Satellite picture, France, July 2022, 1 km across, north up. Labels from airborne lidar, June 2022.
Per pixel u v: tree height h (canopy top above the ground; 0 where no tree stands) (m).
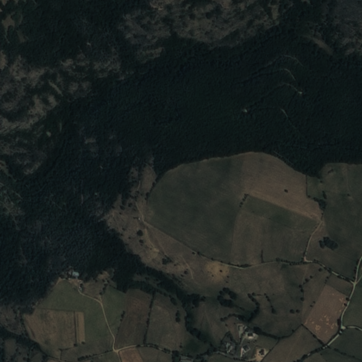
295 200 0
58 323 0
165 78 18
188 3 7
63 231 14
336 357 0
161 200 0
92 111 9
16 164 8
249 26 7
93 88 10
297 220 0
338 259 0
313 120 25
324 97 21
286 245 0
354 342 0
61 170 14
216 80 19
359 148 20
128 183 8
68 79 7
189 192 0
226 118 16
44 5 18
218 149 17
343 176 0
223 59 16
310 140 18
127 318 0
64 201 15
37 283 7
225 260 0
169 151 15
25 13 12
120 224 0
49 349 0
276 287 0
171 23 8
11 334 8
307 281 9
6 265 9
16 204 7
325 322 0
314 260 8
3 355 7
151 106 9
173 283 13
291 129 17
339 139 17
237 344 8
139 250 0
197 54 14
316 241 0
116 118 14
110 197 12
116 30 20
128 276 10
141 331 0
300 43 18
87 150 6
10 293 11
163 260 10
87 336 0
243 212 0
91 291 0
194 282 0
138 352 0
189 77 19
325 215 0
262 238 0
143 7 8
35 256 12
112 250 20
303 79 15
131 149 14
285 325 0
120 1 17
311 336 0
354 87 22
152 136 18
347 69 21
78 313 0
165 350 11
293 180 0
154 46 7
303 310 0
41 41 15
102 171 9
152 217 0
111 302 0
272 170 0
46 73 7
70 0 28
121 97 15
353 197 0
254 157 0
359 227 0
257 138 14
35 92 12
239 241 0
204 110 18
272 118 13
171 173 0
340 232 0
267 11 13
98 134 10
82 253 20
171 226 0
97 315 0
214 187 0
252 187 0
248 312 0
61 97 8
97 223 10
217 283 0
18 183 8
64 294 0
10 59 9
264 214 0
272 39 25
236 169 0
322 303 0
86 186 11
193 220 0
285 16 13
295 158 18
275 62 7
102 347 0
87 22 7
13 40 15
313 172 19
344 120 17
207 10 0
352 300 0
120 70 8
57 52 20
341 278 10
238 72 21
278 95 13
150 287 9
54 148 9
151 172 0
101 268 8
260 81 19
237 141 17
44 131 13
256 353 0
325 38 16
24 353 0
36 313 0
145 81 21
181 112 21
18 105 9
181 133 20
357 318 0
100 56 15
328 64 20
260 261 0
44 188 9
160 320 0
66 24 19
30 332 0
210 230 0
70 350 0
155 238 0
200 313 0
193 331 22
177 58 23
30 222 10
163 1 0
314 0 22
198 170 0
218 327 0
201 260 0
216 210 0
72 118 10
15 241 9
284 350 0
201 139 17
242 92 25
